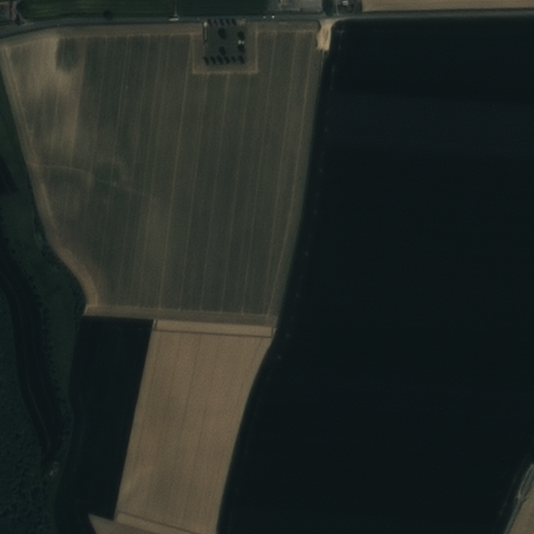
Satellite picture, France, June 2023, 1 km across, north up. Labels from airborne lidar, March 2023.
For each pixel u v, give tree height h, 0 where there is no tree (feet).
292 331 0
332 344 0
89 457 0
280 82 0
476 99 0
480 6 0
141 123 0
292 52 0
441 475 0
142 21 0
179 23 0
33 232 0
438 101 0
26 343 0
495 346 0
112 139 0
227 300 0
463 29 0
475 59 0
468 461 0
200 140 0
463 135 0
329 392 0
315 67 0
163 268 0
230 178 0
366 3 0
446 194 0
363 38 0
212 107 0
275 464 0
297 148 0
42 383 0
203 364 0
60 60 0
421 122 0
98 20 0
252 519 0
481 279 0
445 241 0
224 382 0
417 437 0
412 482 0
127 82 0
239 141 0
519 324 0
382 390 0
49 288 0
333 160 0
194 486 0
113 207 0
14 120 0
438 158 0
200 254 0
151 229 0
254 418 0
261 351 0
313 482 0
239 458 0
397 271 0
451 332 0
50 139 0
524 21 0
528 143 0
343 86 0
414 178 0
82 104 0
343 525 0
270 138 0
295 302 0
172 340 0
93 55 0
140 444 0
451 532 0
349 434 0
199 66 0
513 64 0
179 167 0
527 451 0
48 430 0
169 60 0
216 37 0
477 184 0
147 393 0
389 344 0
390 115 0
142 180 0
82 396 0
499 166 0
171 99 0
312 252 0
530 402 0
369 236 0
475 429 0
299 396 0
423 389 0
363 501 0
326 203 0
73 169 0
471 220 0
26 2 0
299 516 0
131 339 0
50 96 0
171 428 0
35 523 65
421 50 0
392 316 0
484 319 0
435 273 0
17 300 0
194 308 0
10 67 0
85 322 0
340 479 0
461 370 0
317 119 0
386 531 0
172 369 0
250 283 0
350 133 0
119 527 0
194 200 0
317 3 0
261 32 0
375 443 0
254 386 0
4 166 0
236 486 0
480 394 0
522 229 0
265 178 0
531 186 0
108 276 0
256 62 0
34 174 0
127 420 0
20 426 75
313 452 0
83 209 0
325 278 0
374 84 0
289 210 0
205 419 0
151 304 0
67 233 0
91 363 0
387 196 0
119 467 0
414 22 0
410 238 0
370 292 0
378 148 0
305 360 0
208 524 0
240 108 0
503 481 0
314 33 0
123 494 0
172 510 0
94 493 0
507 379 0
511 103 0
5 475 70
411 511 0
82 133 0
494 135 0
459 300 0
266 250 0
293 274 0
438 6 0
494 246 0
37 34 0
